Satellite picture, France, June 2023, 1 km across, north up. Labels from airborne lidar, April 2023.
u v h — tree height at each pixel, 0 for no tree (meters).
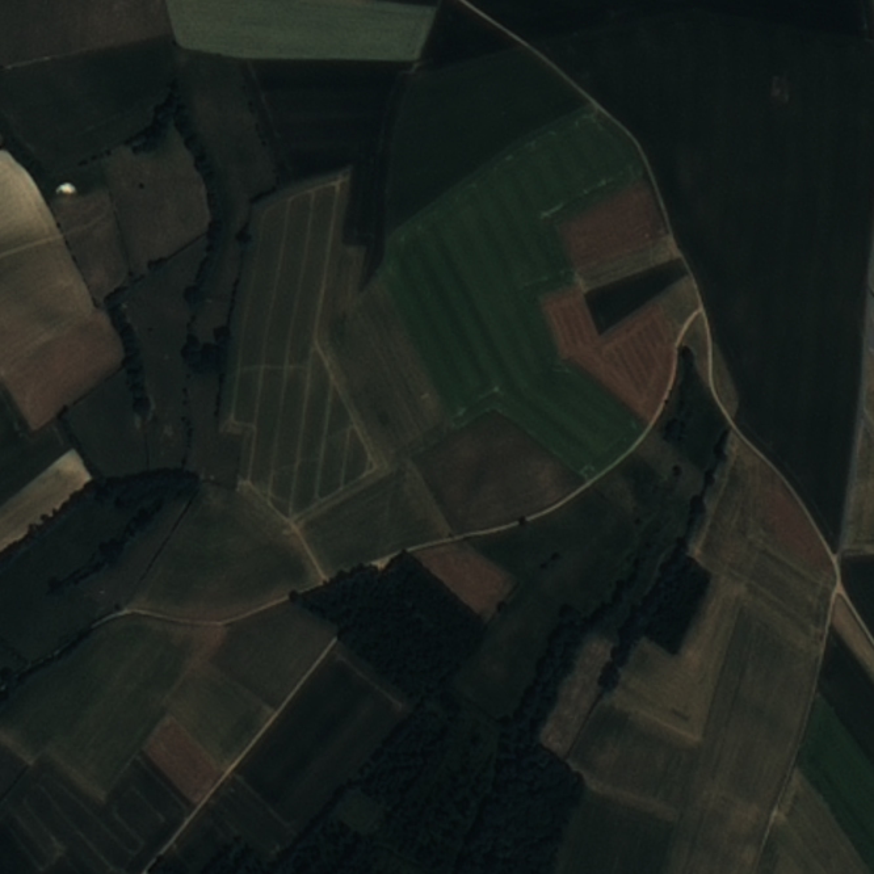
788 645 0
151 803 0
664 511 0
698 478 0
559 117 0
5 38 0
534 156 0
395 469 0
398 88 0
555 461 0
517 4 0
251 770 0
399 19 0
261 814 0
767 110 0
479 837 26
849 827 0
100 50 0
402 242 0
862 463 0
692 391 0
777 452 0
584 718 0
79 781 0
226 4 0
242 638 0
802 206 0
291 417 0
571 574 0
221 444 0
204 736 0
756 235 0
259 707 0
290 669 0
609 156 0
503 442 0
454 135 0
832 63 0
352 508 0
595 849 0
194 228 0
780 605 0
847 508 0
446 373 0
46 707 0
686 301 0
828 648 0
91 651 0
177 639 0
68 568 0
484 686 0
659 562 0
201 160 13
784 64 0
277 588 0
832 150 0
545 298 0
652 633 16
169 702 0
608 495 0
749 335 0
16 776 0
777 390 0
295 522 0
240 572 0
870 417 0
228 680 0
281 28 0
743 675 0
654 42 0
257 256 0
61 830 0
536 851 23
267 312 0
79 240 0
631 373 0
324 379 0
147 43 0
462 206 0
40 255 0
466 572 0
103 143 0
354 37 0
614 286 0
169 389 0
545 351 0
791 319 0
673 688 0
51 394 0
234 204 0
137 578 0
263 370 0
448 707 11
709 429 0
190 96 0
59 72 0
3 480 0
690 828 0
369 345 0
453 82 0
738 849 0
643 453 0
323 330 0
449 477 0
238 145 0
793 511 0
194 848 0
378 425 0
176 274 0
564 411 0
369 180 0
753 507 0
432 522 0
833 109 0
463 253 0
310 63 0
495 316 0
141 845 0
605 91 0
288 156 0
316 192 0
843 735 0
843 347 0
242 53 0
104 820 0
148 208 0
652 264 0
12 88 0
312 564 0
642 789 0
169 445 0
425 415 0
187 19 0
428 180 0
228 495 0
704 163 0
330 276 0
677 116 0
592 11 0
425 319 0
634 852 0
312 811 0
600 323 0
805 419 0
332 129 0
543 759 19
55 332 0
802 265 0
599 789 0
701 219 0
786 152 0
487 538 0
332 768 0
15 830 0
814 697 0
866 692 0
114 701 0
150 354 0
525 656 0
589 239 0
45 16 0
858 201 0
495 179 0
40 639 0
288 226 0
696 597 11
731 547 0
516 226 0
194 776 0
